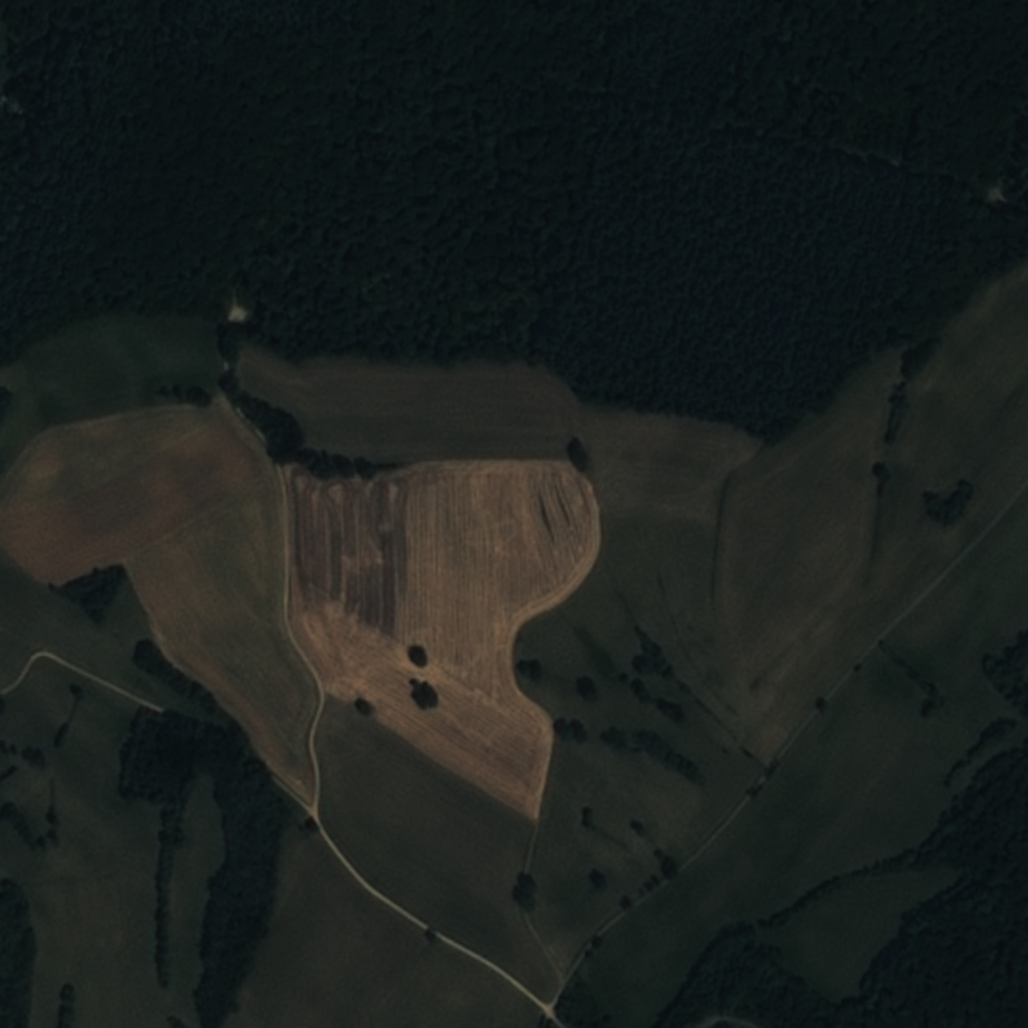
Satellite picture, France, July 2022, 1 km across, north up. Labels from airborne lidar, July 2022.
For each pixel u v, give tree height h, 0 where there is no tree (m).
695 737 0
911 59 23
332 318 20
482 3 29
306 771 0
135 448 0
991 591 0
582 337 32
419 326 20
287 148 22
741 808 0
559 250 27
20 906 15
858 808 0
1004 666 10
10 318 30
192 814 0
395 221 22
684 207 36
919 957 21
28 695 0
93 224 28
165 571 0
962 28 26
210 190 24
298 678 0
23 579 0
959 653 0
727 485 0
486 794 0
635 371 24
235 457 0
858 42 27
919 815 0
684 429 0
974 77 25
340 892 0
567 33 22
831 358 29
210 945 21
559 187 23
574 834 0
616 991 0
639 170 24
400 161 19
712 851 0
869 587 0
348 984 0
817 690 0
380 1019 0
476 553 0
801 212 27
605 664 0
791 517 0
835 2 26
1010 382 0
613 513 0
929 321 24
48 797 0
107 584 15
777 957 7
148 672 8
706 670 0
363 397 0
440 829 0
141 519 0
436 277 24
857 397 0
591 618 0
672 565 0
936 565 0
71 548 0
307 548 0
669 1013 10
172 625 0
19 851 0
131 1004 0
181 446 0
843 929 0
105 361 0
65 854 0
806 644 0
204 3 33
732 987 18
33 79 28
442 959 0
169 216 27
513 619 0
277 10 32
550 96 26
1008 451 0
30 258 31
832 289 33
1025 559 0
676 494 0
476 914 0
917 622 0
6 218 38
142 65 28
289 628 0
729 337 32
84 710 0
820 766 0
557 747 0
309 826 10
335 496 0
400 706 0
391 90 25
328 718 0
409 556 0
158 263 24
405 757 0
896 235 26
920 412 0
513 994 0
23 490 0
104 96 26
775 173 29
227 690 0
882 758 0
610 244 27
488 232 26
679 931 0
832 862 0
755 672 0
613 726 0
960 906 22
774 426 28
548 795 0
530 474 0
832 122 24
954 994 23
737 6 28
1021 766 13
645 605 0
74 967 0
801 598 0
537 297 21
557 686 0
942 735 0
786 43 29
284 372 0
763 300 27
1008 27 26
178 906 0
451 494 0
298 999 0
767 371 34
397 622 0
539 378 0
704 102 11
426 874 0
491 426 0
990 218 28
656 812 0
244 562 0
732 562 0
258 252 23
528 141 26
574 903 0
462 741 0
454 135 12
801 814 0
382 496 0
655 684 0
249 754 12
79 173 31
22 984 7
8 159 8
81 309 26
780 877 0
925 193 29
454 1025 0
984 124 26
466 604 0
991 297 0
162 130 32
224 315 13
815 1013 11
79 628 0
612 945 0
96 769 0
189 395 11
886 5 30
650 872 0
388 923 0
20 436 0
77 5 23
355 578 0
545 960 0
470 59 28
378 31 28
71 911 0
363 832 0
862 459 0
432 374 0
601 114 24
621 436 0
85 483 0
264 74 23
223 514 0
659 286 33
